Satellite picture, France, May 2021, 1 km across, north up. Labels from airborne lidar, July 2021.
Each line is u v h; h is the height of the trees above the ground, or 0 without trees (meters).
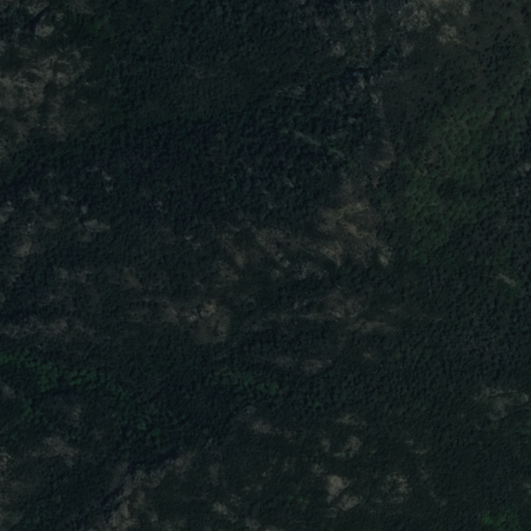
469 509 11
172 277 11
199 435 9
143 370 7
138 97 18
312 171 15
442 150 16
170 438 8
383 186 17
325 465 6
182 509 11
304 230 7
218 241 8
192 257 13
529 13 15
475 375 18
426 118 14
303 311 8
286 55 14
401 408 20
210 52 12
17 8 7
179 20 32
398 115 6
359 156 7
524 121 15
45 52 8
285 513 6
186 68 8
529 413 10
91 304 7
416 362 15
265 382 16
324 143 10
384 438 12
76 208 10
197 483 7
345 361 11
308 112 13
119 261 10
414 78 8
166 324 12
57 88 7
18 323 8
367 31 14
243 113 11
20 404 14
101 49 10
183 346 15
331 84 11
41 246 8
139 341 9
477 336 14
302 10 8
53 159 6
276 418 10
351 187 0
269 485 8
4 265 9
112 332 10
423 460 10
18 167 12
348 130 7
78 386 19
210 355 11
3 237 18
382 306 16
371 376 10
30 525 8
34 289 9
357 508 9
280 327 8
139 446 16
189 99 9
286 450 8
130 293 15
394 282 10
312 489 7
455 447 19
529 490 9
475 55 15
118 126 13
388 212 10
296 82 16
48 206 9
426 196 14
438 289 12
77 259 13
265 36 11
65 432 12
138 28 10
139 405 14
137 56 19
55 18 17
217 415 12
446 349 17
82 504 12
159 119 12
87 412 6
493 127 10
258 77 20
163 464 9
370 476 8
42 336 10
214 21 13
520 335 20
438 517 10
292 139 19
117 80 15
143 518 10
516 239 14
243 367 19
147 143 15
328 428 7
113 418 8
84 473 8
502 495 21
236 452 10
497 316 28
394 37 8
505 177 15
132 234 10
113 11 13
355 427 10
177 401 11
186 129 12
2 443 9
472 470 7
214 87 9
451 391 17
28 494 7
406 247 23
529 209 21
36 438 8
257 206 13
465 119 15
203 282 10
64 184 8
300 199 10
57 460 7
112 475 7
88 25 23
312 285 13
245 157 10
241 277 12
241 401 10
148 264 10
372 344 11
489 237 21
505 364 22
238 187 9
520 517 8
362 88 10
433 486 8
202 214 13
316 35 11
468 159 13
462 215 11
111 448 7
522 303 21
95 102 8
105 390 11
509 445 11
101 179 13
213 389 10
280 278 7
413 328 11
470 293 20
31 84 6
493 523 11
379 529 8
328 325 17
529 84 8
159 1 12
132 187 7
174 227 7
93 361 18
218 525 7
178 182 11
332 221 0
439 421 14
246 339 7
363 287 19
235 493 6
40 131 10
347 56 14
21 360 18
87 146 22
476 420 15
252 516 14
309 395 16
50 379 20
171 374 9
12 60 8
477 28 17
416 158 8
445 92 19
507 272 11
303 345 23
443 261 13
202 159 19
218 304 8
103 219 7
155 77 16
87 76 7
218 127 20
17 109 10
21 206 9
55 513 11
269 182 10
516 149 21
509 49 17
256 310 14
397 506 9
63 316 7
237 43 7
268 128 11
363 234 0
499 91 11
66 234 10
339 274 10
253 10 16
